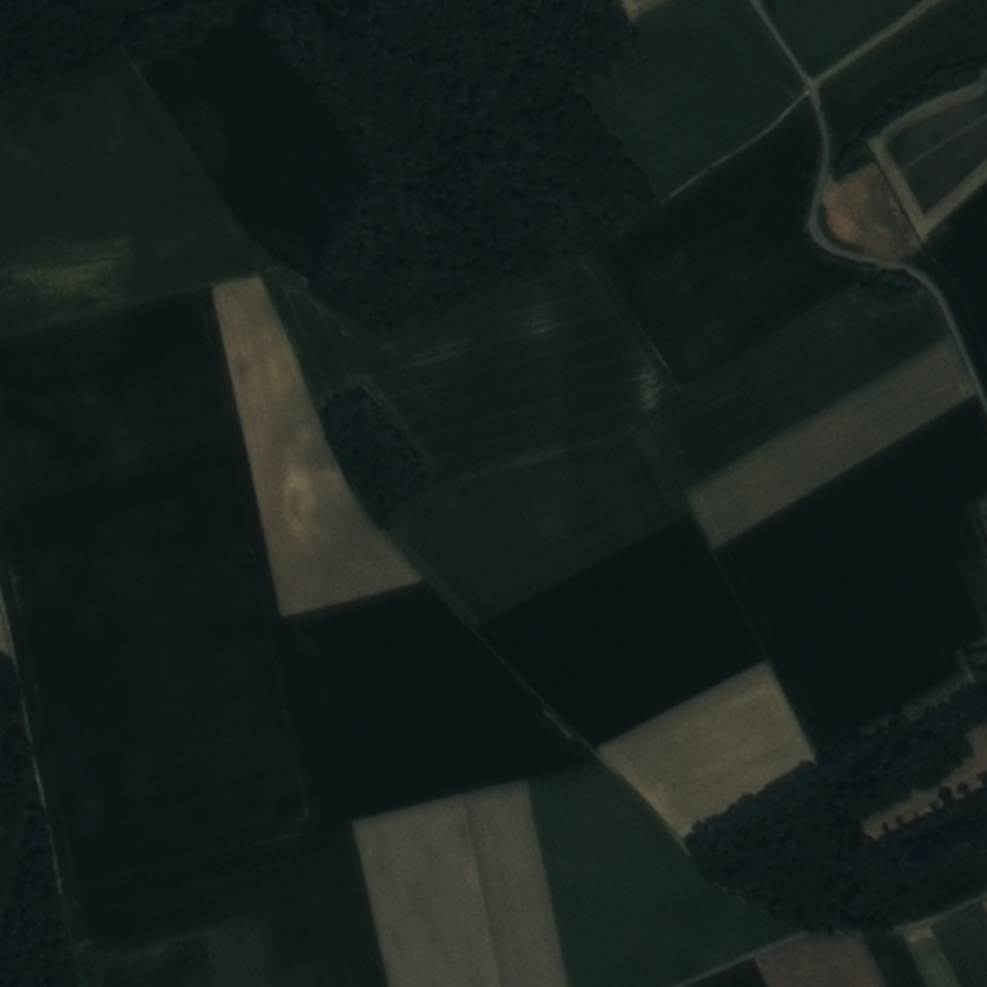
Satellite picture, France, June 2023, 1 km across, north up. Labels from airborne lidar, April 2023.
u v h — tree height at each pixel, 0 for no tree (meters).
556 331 0
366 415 17
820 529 0
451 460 0
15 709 20
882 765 19
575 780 0
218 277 0
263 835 0
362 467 22
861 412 0
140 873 0
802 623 0
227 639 0
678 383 0
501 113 24
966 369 0
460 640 0
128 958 0
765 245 0
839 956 0
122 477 0
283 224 0
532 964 0
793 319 0
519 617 0
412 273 26
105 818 0
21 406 0
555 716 0
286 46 19
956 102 0
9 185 0
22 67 23
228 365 0
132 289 0
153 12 23
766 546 0
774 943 0
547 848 0
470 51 27
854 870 25
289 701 0
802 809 25
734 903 0
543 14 26
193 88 0
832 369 0
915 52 0
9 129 0
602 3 21
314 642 0
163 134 0
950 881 0
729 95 0
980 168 0
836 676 0
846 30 0
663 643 0
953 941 0
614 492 0
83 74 0
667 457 0
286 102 0
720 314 0
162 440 0
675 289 0
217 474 0
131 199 0
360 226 18
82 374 0
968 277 0
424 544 0
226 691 0
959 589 0
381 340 0
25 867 17
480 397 0
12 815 8
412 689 0
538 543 0
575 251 16
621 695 0
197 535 0
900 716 19
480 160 25
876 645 0
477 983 0
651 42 0
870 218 0
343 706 0
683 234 0
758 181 0
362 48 29
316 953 0
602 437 0
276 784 0
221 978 0
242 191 0
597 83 0
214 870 0
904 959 0
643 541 0
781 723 0
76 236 0
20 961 21
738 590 0
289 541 0
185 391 0
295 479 0
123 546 0
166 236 0
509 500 0
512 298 0
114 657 0
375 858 0
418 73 27
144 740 0
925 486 0
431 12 23
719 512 0
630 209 19
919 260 0
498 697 0
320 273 21
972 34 0
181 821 0
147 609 0
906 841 22
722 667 0
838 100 0
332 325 0
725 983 0
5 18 23
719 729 0
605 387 0
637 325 0
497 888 0
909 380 0
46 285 0
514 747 0
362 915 0
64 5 30
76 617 0
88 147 0
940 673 0
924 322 0
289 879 0
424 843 0
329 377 0
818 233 0
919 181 0
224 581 0
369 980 0
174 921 0
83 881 0
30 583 0
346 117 21
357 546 0
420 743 0
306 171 0
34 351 0
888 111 8
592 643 0
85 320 0
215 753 0
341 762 0
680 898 0
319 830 0
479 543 0
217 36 0
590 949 0
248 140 0
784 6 0
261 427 0
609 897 0
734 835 17
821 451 0
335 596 0
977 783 0
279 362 0
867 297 8
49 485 0
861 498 0
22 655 0
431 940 0
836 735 0
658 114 0
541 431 0
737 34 0
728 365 0
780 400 0
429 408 0
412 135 28
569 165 24
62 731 0
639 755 0
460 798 0
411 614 0
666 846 0
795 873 28
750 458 0
